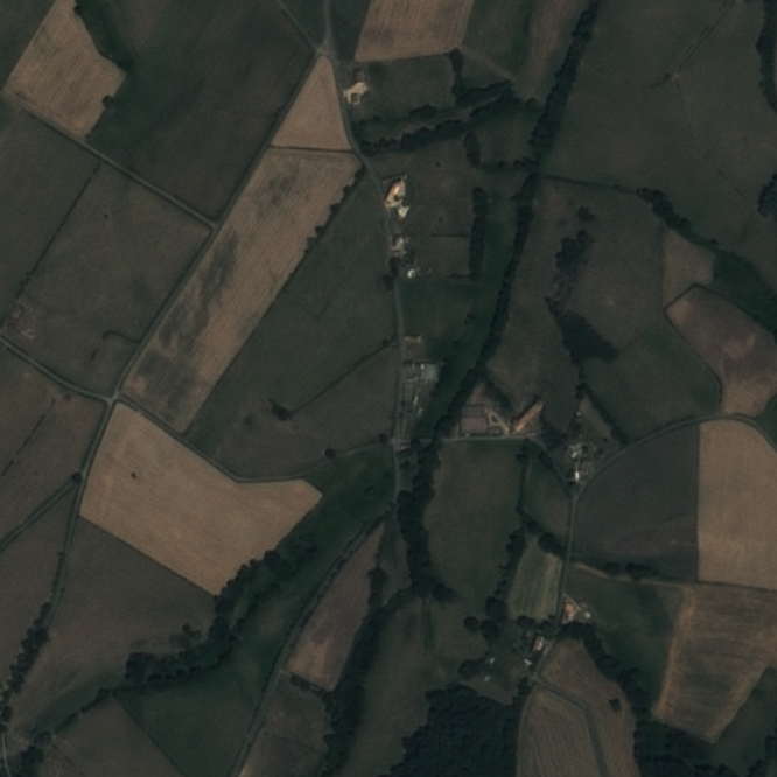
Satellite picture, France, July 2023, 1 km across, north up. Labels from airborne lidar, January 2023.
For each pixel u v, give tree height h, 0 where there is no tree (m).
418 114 15
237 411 0
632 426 0
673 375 0
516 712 12
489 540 0
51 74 0
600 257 0
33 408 0
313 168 0
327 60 0
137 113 0
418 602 0
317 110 0
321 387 0
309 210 0
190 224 0
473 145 18
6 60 0
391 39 0
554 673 0
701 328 0
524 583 0
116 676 0
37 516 0
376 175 0
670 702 0
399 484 0
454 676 0
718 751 0
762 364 0
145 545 0
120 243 0
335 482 0
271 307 0
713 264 0
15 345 0
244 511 0
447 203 0
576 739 0
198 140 0
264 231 0
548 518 0
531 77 0
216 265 0
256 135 0
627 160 0
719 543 0
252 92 0
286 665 0
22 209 0
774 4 14
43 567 0
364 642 11
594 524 0
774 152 0
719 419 0
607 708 0
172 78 0
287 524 0
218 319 0
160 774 0
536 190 14
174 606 0
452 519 0
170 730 0
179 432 0
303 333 0
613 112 0
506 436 0
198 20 0
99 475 0
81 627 0
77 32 0
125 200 0
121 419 0
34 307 0
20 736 0
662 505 0
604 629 0
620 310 0
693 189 0
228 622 20
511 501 0
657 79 0
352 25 0
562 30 0
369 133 0
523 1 0
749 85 0
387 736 0
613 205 0
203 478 0
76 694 0
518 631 0
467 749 7
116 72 0
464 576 0
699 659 0
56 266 0
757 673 0
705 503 0
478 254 17
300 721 0
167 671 7
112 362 0
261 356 0
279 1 0
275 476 0
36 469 0
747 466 0
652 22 0
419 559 20
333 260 0
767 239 0
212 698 0
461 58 14
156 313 0
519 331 0
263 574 0
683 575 0
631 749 0
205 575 0
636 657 0
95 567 0
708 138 0
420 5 0
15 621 0
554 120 21
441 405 0
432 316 0
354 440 0
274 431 0
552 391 0
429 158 0
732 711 0
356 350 0
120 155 0
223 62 0
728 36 0
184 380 0
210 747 0
